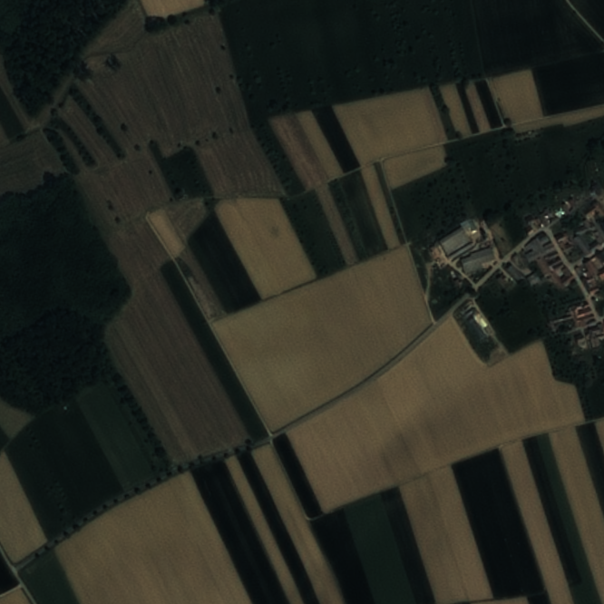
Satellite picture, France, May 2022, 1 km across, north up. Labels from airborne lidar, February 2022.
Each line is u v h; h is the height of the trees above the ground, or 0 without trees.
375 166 0
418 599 0
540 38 0
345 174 0
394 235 0
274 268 0
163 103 0
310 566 0
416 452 0
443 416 0
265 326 0
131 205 0
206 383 0
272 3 0
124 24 0
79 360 25
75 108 0
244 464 0
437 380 0
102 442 0
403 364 0
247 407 0
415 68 0
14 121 0
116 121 0
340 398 0
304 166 0
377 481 0
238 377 0
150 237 0
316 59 0
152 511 0
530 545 0
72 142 0
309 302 0
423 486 0
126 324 0
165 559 0
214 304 0
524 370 0
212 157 0
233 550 0
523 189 0
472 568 0
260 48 0
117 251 0
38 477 0
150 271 0
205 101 0
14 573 0
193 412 0
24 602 0
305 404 0
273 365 0
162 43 0
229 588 0
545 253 0
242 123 0
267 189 0
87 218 7
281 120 0
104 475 0
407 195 0
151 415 0
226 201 0
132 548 0
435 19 0
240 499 0
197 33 0
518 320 0
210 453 0
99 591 0
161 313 0
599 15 0
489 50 0
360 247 0
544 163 0
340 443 0
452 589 0
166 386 0
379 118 0
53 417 0
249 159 0
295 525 0
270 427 0
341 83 0
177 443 0
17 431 0
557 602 0
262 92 0
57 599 0
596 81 0
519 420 0
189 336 0
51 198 15
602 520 0
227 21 0
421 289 0
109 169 0
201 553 0
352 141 0
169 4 0
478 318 0
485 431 0
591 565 0
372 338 0
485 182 0
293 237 0
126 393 16
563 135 0
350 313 0
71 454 0
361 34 0
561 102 0
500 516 0
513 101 0
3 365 22
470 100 0
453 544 0
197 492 0
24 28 23
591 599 0
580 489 0
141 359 0
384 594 0
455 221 7
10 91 0
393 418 0
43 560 0
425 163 0
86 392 0
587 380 12
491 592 0
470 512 0
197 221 0
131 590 0
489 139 0
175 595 0
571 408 0
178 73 0
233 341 0
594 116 0
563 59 0
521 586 0
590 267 0
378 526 0
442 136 0
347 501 0
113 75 0
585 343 0
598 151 20
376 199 0
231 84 0
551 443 0
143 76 0
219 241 0
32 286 18
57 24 29
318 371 0
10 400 22
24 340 30
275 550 0
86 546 0
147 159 0
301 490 0
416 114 0
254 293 0
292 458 0
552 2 0
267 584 0
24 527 0
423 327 0
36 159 0
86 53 0
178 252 0
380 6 0
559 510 0
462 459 0
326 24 0
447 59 0
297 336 0
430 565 0
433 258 0
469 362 0
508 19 0
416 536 0
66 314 30
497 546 0
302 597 0
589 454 0
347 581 0
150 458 0
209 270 0
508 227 0
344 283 0
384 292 0
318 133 0
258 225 0
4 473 0
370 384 0
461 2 0
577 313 0
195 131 0
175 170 0
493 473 0
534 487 0
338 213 0
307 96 0
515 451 0
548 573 0
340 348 0
